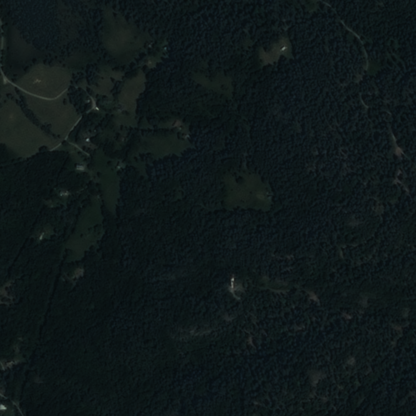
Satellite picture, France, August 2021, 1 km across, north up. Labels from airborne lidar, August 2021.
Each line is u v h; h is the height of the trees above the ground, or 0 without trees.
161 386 26
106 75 0
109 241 27
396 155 0
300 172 20
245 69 9
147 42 6
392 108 17
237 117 17
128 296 22
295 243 18
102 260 15
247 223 17
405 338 12
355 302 12
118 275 18
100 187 17
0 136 0
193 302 27
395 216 6
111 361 15
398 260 19
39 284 19
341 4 24
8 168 19
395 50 18
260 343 29
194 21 22
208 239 26
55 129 0
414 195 10
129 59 0
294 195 19
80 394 17
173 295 14
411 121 24
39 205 16
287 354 14
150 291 27
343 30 13
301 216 19
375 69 0
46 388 19
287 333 26
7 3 18
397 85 5
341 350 13
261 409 19
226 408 20
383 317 8
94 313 27
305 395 22
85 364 25
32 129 0
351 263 30
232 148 21
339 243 12
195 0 28
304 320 25
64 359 25
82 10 6
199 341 18
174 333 10
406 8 11
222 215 21
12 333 18
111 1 28
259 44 17
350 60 7
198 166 28
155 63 0
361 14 23
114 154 10
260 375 28
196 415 16
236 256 23
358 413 13
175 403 17
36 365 24
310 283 21
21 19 7
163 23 21
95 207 0
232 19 19
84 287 24
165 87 27
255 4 6
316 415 21
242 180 19
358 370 10
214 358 26
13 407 7
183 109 10
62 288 22
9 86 0
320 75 23
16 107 0
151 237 19
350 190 11
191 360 17
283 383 22
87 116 16
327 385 13
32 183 27
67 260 18
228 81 0
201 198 15
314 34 21
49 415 18
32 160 21
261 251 29
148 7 26
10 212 22
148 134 21
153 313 13
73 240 0
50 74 0
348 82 25
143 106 23
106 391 29
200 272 9
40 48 13
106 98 16
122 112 7
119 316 28
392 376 26
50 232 0
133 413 26
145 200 16
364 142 18
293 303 21
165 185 20
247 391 21
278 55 0
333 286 9
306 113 33
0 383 8
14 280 21
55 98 0
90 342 23
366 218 21
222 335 22
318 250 11
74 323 25
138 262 17
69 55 14
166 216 16
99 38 18
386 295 13
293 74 25
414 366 7
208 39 20
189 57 30
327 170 22
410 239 21
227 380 19
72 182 14
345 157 32
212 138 22
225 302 9
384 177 28
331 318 21
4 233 20
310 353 11
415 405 19
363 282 15
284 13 21
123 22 0
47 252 23
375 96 19
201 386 30
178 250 26
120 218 25
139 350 22
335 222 26
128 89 0
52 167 25
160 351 18
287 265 23
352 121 29
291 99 24
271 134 30
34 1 7
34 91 0
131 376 26
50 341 23
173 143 0
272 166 22
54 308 19
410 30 18
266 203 0
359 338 20
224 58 22
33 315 15
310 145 27
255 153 21
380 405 23
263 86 26
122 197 7
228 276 17
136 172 24
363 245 18
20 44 0
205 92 11
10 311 20
